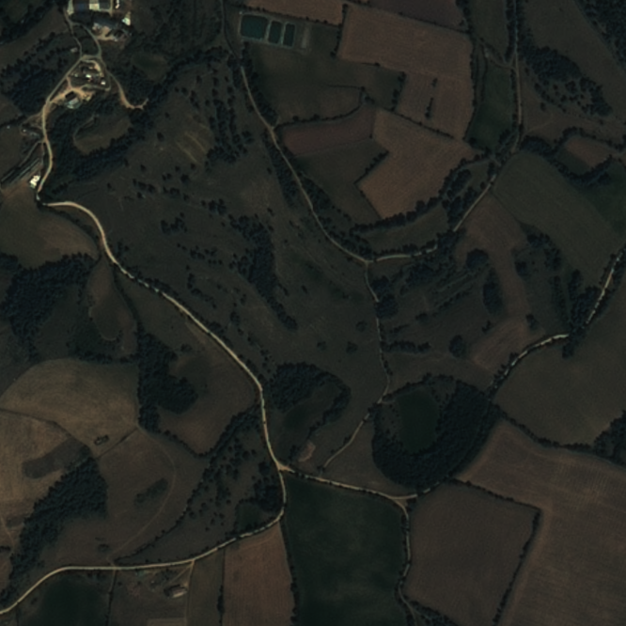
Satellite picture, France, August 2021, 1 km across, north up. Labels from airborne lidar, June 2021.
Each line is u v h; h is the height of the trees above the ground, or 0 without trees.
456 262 8
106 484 14
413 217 13
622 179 0
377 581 0
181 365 0
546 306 0
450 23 0
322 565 0
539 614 0
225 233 0
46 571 0
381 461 14
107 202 0
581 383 0
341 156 0
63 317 0
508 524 0
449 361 0
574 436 0
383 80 0
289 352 0
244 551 0
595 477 0
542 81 8
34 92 13
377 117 0
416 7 0
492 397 10
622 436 10
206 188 0
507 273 0
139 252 0
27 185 0
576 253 0
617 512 0
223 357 0
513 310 0
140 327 10
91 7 0
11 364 0
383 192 0
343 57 0
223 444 9
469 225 0
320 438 0
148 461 0
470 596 0
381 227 11
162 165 0
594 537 0
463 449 15
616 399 0
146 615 0
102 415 0
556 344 8
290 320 13
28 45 0
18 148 0
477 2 0
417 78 0
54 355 0
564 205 0
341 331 0
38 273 11
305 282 0
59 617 0
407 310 0
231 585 0
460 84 0
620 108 0
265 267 16
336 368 0
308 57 0
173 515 0
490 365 0
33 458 0
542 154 12
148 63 0
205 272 0
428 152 0
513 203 0
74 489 15
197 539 0
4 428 0
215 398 0
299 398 6
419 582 0
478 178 0
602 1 7
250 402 0
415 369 0
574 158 0
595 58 0
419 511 0
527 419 0
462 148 0
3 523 0
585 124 0
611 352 0
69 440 0
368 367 0
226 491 7
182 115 0
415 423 0
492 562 0
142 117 10
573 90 12
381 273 0
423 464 12
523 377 0
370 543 0
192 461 0
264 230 14
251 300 0
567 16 0
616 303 0
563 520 0
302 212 0
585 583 0
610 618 0
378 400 0
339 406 8
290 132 0
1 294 0
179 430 0
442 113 0
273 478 11
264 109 14
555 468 0
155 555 0
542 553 0
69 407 0
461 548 0
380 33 0
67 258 8
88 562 0
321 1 0
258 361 0
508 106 0
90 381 0
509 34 6
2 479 0
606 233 0
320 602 0
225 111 13
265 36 0
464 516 0
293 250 0
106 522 0
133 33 7
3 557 0
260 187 0
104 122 0
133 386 0
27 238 0
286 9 0
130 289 0
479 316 0
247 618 0
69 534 0
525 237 0
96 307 0
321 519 0
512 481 0
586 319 10
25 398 0
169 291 12
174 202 0
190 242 0
